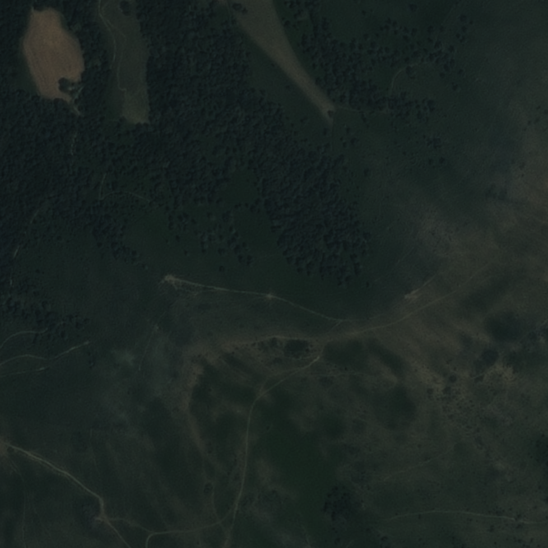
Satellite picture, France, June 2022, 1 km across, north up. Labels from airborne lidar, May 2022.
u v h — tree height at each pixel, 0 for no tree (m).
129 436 0
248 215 0
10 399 0
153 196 9
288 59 0
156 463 0
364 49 11
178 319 0
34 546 0
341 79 17
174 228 12
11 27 18
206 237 12
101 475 0
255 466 0
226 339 0
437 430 0
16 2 15
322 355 0
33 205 14
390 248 0
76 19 22
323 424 0
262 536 0
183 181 17
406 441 0
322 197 9
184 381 0
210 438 0
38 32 0
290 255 14
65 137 13
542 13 0
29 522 0
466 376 0
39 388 0
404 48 0
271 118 28
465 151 0
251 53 7
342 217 18
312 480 0
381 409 0
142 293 0
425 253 0
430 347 0
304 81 0
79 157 8
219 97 18
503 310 0
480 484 0
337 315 0
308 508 0
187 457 0
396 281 0
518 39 0
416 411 0
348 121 0
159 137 19
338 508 12
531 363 0
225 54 18
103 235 16
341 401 0
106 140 9
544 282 0
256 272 0
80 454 0
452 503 0
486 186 0
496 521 0
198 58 11
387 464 0
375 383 0
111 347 0
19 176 14
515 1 0
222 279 0
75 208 19
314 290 0
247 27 0
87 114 11
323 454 0
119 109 0
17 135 14
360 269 13
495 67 0
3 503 0
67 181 14
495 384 0
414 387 0
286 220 15
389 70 0
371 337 0
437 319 0
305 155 19
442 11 0
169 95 26
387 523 0
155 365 0
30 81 0
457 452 0
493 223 0
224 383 0
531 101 0
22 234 7
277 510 0
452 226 0
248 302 0
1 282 8
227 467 0
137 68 0
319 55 16
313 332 0
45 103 11
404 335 0
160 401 0
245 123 15
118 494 0
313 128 0
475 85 0
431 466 0
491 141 0
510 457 0
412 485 0
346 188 0
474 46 0
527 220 0
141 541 0
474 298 0
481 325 0
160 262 0
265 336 0
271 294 0
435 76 0
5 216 16
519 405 0
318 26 17
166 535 0
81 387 0
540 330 0
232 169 13
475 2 0
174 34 20
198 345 0
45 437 0
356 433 0
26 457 0
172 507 0
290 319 0
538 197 0
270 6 0
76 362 0
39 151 11
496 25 0
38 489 0
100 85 17
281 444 0
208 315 0
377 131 0
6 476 0
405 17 0
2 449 0
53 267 0
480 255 0
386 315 0
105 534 0
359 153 0
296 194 15
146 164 10
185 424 0
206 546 0
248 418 0
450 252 0
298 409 0
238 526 0
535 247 0
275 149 21
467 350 0
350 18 0
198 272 0
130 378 0
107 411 0
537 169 0
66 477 0
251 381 0
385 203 0
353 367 0
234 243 13
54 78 0
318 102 0
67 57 0
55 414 0
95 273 0
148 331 0
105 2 0
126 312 0
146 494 0
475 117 0
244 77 14
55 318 8
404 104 13
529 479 0
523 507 0
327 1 0
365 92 16
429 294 0
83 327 12
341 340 0
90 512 0
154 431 0
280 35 0
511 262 0
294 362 0
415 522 0
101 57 15
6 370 0
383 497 0
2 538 0
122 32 0
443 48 10
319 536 0
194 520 0
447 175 0
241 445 0
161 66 21
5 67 17
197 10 11
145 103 0
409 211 0
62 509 0
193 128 14
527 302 0
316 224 16
